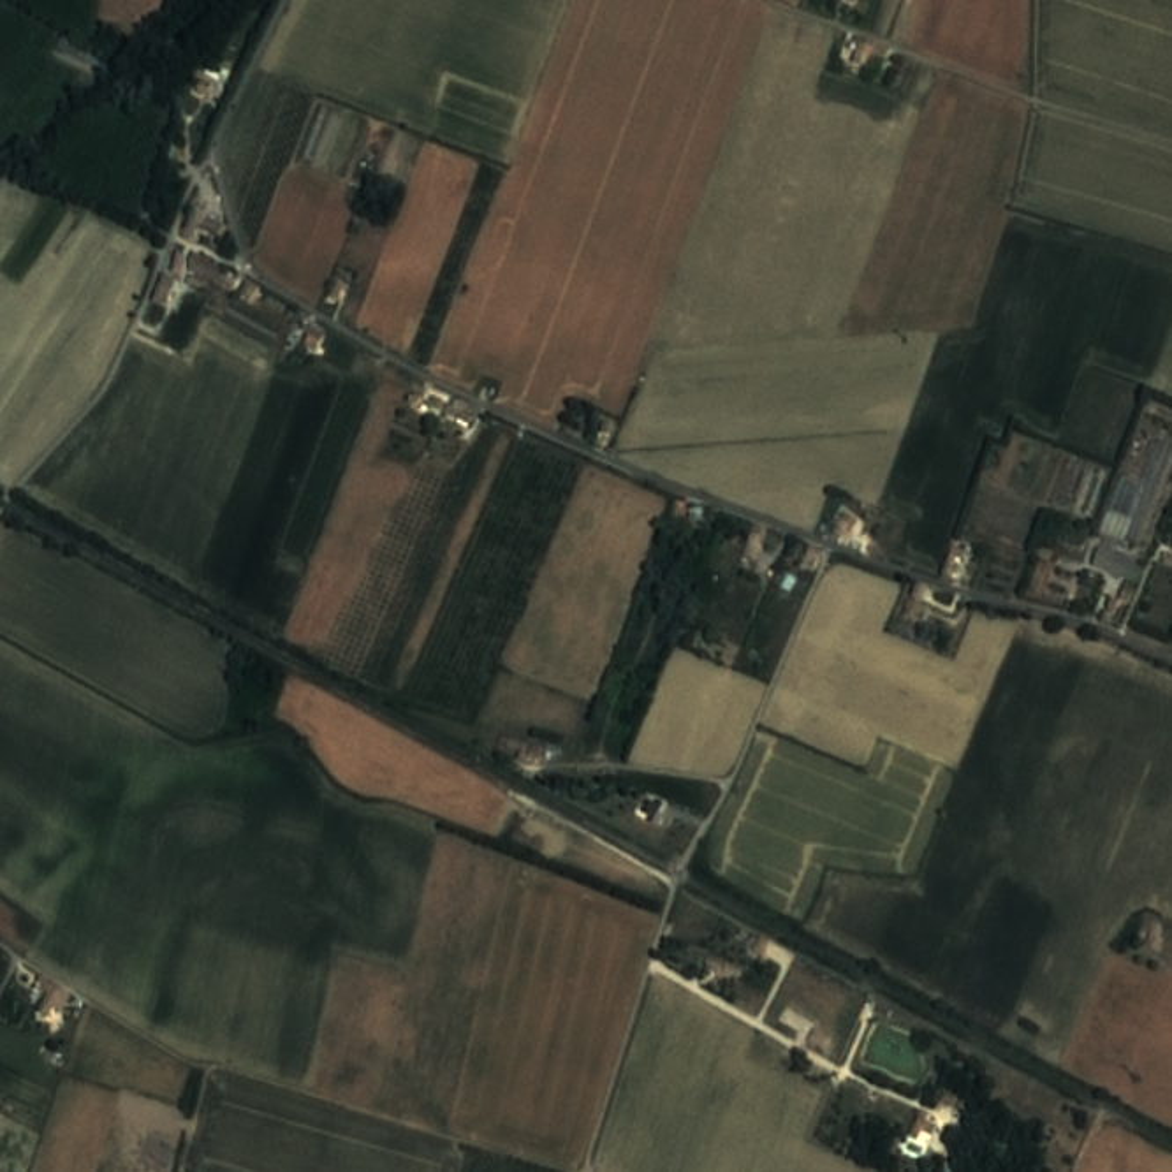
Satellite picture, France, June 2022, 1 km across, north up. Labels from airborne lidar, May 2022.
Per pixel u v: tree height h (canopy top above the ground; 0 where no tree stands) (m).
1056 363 0
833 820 0
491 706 0
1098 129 0
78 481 0
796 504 0
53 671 0
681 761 0
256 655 10
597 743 0
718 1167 0
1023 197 0
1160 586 0
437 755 0
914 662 0
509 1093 0
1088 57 0
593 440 7
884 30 0
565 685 0
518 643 0
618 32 0
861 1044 0
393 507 0
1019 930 0
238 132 0
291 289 0
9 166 21
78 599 0
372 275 0
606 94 0
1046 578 0
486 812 0
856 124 0
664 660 10
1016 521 0
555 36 0
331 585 0
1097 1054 0
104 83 20
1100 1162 0
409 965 0
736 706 0
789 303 0
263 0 28
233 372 0
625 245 0
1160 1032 0
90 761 0
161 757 0
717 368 0
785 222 0
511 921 0
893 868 0
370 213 18
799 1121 0
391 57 0
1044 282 0
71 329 0
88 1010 0
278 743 0
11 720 0
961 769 0
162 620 0
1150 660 9
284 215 0
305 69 0
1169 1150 0
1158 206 0
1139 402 14
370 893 0
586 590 0
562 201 0
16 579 0
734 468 0
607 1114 0
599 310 0
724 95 0
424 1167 0
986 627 0
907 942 0
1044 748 0
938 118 0
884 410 0
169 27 19
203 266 0
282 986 0
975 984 0
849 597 0
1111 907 0
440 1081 0
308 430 0
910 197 0
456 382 0
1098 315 0
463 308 0
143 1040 0
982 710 0
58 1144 0
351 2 0
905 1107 0
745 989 0
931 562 0
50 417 0
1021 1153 9
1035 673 0
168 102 12
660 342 0
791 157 0
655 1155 0
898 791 0
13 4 9
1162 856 0
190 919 0
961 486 0
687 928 0
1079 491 0
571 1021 0
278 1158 0
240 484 0
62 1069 0
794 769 0
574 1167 0
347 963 0
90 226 0
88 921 0
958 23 0
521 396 0
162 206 20
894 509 0
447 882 0
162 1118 6
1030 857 0
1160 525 7
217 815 0
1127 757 0
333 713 0
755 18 0
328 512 0
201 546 0
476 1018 0
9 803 0
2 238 0
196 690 0
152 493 0
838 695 0
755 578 10
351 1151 0
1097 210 0
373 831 0
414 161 0
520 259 0
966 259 0
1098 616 7
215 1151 0
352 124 0
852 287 0
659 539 15
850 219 0
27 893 0
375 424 0
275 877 0
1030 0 0
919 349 0
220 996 0
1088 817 0
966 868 0
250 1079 0
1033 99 0
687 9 0
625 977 0
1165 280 0
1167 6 0
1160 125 0
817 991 0
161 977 0
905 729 0
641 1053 0
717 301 0
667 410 0
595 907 0
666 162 0
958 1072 12
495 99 0
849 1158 8
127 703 0
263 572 0
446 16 0
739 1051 0
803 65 0
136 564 8
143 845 0
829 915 0
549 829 0
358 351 0
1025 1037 0
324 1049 0
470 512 0
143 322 0
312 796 0
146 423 0
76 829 0
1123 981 0
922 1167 13
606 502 0
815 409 0
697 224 0
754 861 0
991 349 0
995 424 0
